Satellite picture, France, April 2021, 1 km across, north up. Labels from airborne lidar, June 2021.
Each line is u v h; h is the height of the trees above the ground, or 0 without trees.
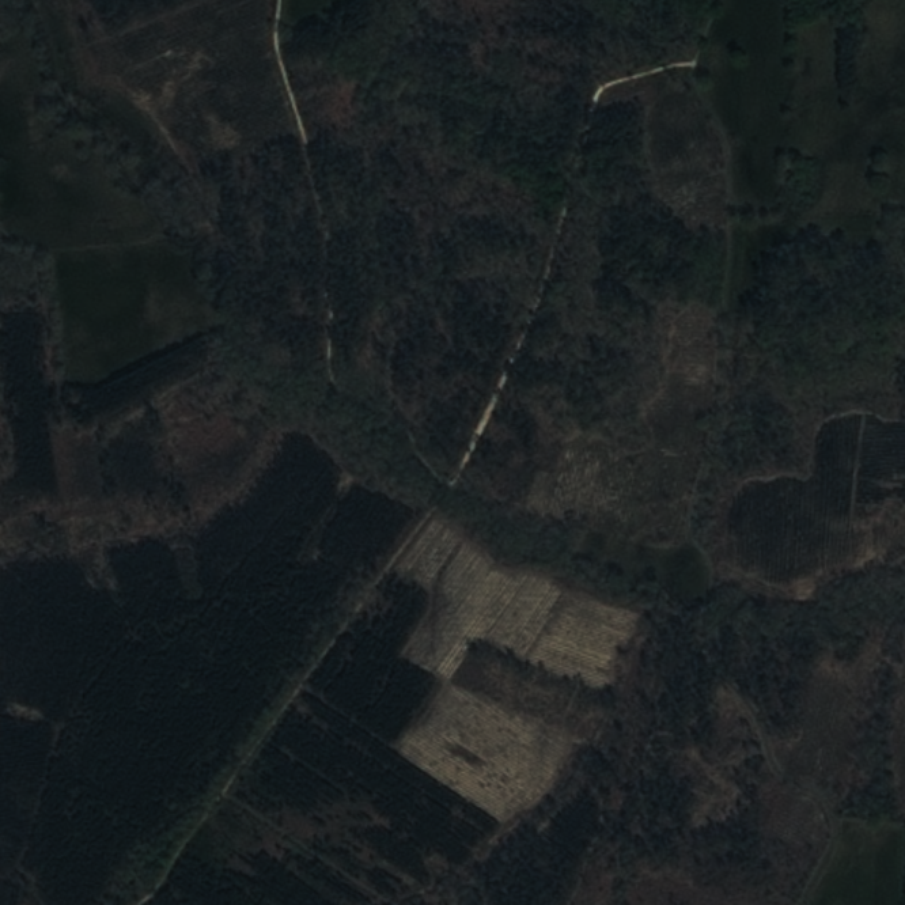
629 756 10
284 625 9
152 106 0
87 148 12
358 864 8
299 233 8
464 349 20
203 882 8
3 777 8
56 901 7
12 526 0
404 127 21
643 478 0
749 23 0
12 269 12
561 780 9
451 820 9
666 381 19
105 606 10
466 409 11
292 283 21
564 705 0
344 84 10
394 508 10
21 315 11
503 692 0
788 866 11
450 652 0
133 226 0
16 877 9
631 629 0
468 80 12
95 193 0
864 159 0
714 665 24
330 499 10
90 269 0
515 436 7
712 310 19
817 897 0
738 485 10
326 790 8
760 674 22
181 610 8
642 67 16
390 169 25
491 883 11
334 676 10
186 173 12
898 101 0
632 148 19
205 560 9
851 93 18
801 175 17
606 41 8
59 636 9
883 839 0
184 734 11
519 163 25
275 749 9
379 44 19
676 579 0
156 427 20
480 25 10
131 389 13
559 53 9
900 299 24
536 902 19
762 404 13
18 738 9
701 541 15
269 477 9
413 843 12
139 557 9
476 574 0
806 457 8
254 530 9
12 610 9
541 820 9
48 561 8
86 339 0
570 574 18
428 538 0
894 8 0
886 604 13
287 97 0
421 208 9
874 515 0
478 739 0
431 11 9
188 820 11
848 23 10
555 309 17
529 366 22
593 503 0
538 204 10
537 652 0
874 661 0
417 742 0
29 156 0
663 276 10
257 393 21
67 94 18
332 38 18
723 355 16
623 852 24
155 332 0
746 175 0
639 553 0
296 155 18
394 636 10
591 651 0
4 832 6
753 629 17
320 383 20
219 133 0
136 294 0
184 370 9
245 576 7
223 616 8
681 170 0
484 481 14
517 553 18
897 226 16
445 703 0
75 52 6
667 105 0
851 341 17
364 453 17
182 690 7
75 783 9
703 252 15
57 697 9
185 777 9
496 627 0
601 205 8
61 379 14
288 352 14
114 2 21
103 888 7
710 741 8
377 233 20
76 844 7
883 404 9
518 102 14
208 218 21
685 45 13
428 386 21
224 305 21
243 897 11
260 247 17
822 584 11
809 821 0
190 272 0
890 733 13
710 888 6
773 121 0
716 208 0
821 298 29
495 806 0
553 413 16
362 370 14
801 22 18
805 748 0
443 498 16
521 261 12
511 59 7
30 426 12
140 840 9
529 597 0
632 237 12
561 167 25
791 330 19
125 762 9
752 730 15
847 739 0
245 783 8
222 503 9
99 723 8
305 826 0
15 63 0
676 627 16
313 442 9
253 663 8
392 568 0
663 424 0
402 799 9
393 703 11
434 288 21
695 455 0
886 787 12
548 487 0
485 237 19
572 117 22
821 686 0
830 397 14
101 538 8
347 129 11
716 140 0
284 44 9
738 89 0
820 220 0
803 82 0
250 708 9
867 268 27
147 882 16
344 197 22
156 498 13
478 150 13
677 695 20
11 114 0
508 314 21
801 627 16
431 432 10
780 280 31
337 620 16
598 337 14
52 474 11
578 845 9
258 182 10
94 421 12
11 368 12
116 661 10
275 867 12
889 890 0
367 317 32
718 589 10
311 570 8
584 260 12
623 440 8
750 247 0
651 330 12
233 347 19
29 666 9
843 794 16
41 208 0
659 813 15
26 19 15
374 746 10
